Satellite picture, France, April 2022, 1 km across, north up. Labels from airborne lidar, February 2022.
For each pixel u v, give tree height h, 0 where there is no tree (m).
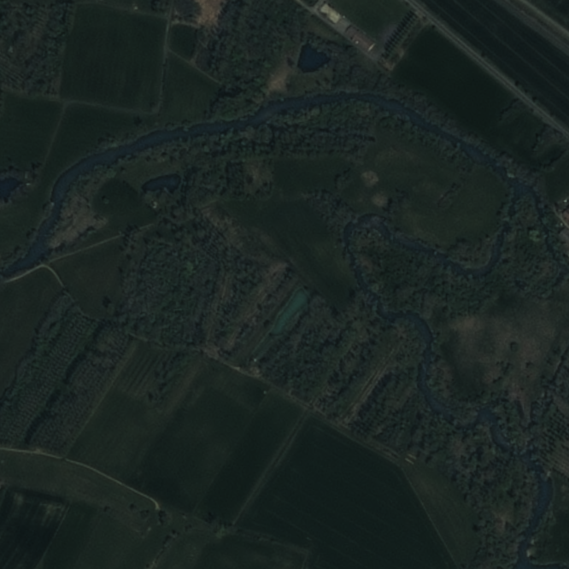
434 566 0
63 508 0
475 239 0
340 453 0
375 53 0
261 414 0
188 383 0
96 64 0
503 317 0
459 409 7
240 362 0
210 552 0
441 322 0
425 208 0
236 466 0
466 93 0
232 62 11
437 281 11
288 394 0
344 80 10
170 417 0
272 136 12
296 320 0
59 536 0
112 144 10
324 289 0
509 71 0
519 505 12
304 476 0
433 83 0
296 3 7
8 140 0
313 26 0
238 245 0
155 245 12
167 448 0
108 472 0
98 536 0
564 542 0
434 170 0
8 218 0
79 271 0
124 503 0
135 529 0
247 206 0
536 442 14
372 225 0
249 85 17
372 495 0
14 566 0
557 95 0
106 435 0
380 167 0
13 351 0
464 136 11
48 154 0
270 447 0
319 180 0
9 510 0
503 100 0
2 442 6
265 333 0
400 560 0
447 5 0
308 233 0
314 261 0
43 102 0
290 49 0
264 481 0
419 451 6
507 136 0
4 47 0
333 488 0
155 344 24
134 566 0
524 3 0
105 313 0
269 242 0
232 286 0
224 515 0
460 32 0
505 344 0
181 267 14
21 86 0
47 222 0
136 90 0
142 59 0
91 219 0
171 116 0
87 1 0
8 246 0
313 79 0
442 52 0
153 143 0
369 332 0
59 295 0
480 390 0
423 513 0
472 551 0
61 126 0
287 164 0
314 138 18
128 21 0
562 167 0
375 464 0
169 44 0
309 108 6
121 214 0
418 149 0
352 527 0
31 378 24
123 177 0
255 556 0
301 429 0
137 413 0
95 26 0
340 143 15
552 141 15
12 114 0
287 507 0
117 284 0
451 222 0
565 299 0
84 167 0
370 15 0
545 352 0
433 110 15
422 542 0
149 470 0
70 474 0
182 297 21
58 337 10
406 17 0
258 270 6
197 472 0
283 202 0
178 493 0
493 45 0
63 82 0
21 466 0
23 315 0
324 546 0
